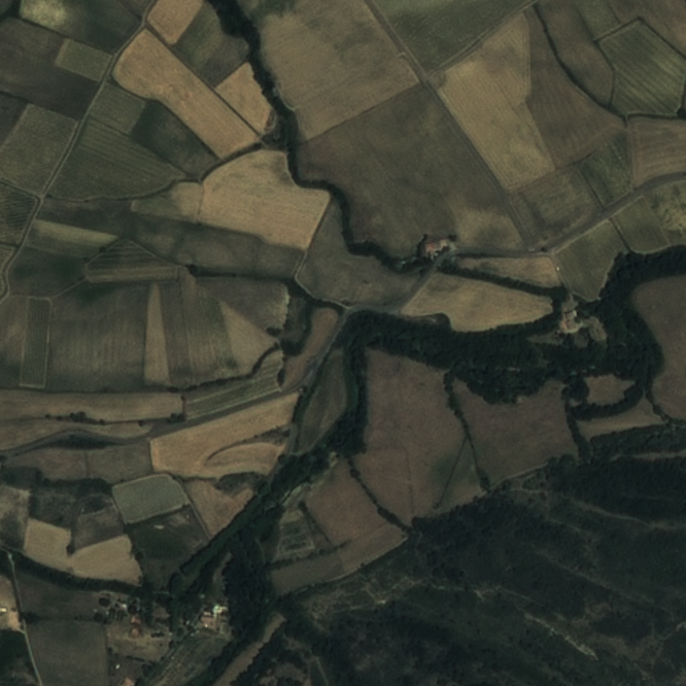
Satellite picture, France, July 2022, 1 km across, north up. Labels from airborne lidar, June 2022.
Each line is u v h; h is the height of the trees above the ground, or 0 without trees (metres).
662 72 0
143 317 0
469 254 8
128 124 0
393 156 0
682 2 0
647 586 0
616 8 0
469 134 0
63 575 7
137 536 0
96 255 0
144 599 12
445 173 0
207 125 0
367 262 0
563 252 0
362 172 0
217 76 0
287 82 0
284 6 0
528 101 0
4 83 0
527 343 9
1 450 0
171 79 0
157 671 15
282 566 9
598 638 0
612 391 0
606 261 0
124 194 0
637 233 0
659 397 0
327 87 0
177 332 0
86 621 0
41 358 0
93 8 0
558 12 0
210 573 10
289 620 7
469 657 8
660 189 0
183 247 0
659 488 8
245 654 0
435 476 0
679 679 0
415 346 20
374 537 0
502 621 0
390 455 0
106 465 0
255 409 0
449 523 8
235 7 12
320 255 0
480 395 13
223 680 0
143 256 0
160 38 0
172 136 0
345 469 0
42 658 0
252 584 23
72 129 0
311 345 0
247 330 0
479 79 0
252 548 13
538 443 0
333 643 10
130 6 0
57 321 0
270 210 0
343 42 0
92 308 0
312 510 0
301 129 0
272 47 0
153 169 0
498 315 0
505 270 0
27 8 0
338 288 0
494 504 9
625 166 0
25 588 0
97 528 0
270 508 18
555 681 7
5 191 0
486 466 0
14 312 0
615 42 0
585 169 0
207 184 0
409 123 0
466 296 0
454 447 0
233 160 0
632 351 11
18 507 0
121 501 0
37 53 0
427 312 0
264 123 0
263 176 0
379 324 12
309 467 21
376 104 0
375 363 0
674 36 0
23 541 0
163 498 0
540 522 8
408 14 0
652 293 0
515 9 0
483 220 0
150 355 0
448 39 0
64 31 0
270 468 0
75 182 0
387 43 0
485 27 0
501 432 0
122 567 0
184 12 0
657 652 0
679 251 7
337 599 0
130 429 0
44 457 0
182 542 0
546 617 0
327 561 0
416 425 0
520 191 0
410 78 0
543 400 0
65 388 0
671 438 8
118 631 0
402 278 0
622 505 10
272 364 0
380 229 0
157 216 0
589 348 9
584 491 6
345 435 12
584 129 0
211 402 0
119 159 0
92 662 0
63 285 0
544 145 0
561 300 7
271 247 0
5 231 0
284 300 0
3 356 0
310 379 0
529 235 0
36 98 0
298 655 7
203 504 0
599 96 0
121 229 0
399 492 0
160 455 0
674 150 0
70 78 0
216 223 0
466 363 14
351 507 0
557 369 14
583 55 0
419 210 0
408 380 0
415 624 10
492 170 0
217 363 0
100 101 0
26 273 0
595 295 0
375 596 0
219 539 18
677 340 0
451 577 9
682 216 0
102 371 0
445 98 0
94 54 0
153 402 0
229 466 0
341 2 0
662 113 0
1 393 0
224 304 0
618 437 12
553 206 0
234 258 0
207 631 0
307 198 0
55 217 0
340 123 0
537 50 0
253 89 0
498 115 0
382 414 0
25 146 0
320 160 0
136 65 0
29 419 0
